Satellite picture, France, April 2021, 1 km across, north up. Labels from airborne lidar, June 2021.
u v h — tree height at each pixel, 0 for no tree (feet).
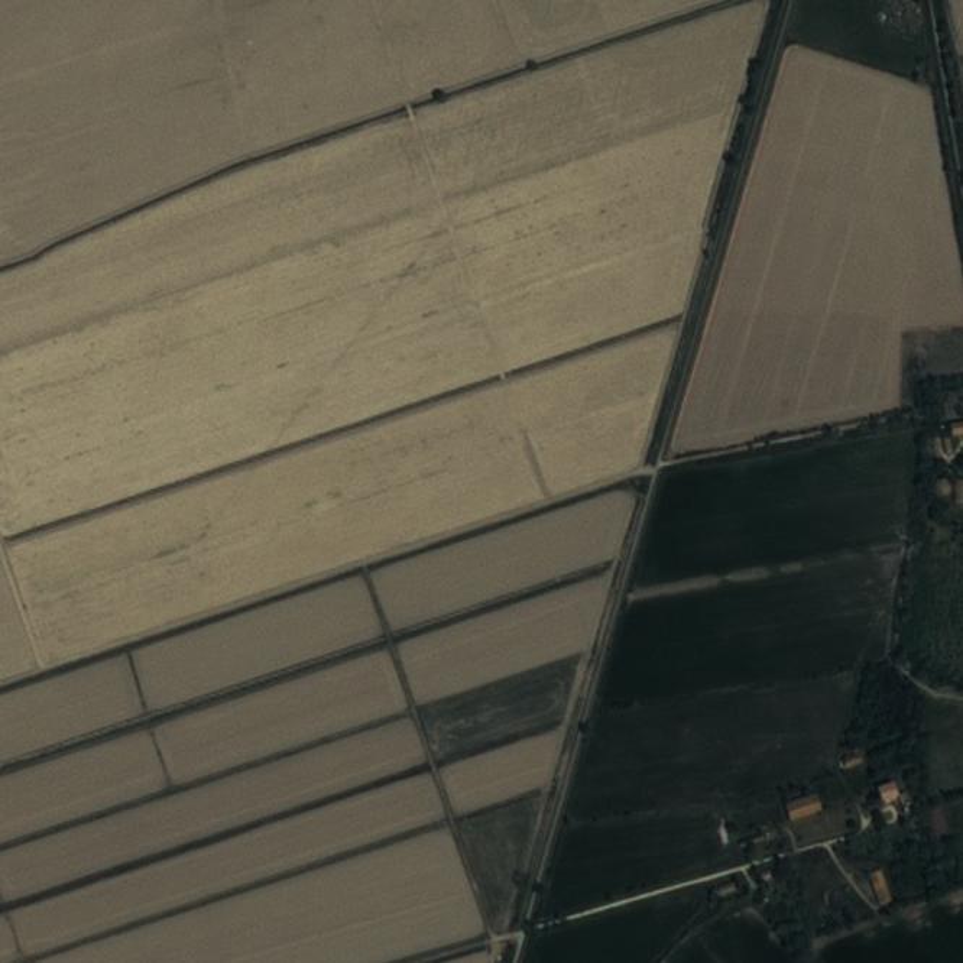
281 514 0
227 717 0
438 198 0
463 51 0
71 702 0
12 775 0
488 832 0
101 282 0
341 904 0
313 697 0
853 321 0
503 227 0
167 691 0
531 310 0
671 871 0
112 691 0
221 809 0
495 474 0
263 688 0
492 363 0
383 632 0
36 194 0
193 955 0
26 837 0
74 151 0
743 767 0
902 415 23
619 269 0
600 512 0
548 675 0
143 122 0
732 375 0
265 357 0
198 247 0
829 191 0
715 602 0
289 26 0
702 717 0
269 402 0
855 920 48
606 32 0
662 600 0
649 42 0
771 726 0
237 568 0
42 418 0
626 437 0
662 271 0
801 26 0
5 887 0
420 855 0
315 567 0
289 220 0
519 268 0
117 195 0
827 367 0
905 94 0
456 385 0
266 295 0
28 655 0
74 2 0
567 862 0
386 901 0
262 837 0
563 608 0
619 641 0
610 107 0
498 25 0
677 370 0
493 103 0
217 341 0
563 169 0
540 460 0
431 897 0
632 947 0
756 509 0
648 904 0
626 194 0
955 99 61
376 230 0
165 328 0
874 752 19
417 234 0
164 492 0
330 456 0
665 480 0
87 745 0
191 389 0
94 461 0
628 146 0
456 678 0
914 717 40
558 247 0
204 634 0
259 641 0
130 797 0
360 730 0
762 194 0
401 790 0
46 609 0
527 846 0
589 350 0
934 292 0
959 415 35
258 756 0
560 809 0
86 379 0
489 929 0
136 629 0
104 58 0
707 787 0
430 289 0
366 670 0
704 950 0
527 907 0
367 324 0
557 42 0
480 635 0
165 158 0
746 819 0
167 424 0
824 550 0
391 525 0
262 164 0
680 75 0
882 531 0
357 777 0
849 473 0
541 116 0
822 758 0
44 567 0
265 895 0
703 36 0
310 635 0
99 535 0
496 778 0
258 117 0
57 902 0
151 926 0
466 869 0
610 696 0
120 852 0
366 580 0
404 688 0
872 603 0
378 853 0
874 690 35
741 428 0
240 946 0
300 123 0
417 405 0
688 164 0
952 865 42
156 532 0
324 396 0
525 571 0
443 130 0
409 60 0
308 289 0
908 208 0
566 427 0
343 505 0
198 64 0
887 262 0
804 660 0
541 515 0
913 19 0
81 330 0
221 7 0
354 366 0
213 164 0
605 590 0
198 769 0
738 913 0
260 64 0
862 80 0
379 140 0
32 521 0
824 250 0
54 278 0
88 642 0
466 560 0
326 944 0
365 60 0
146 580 0
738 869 0
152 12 0
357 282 0
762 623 0
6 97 0
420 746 0
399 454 0
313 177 0
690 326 0
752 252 0
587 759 0
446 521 0
